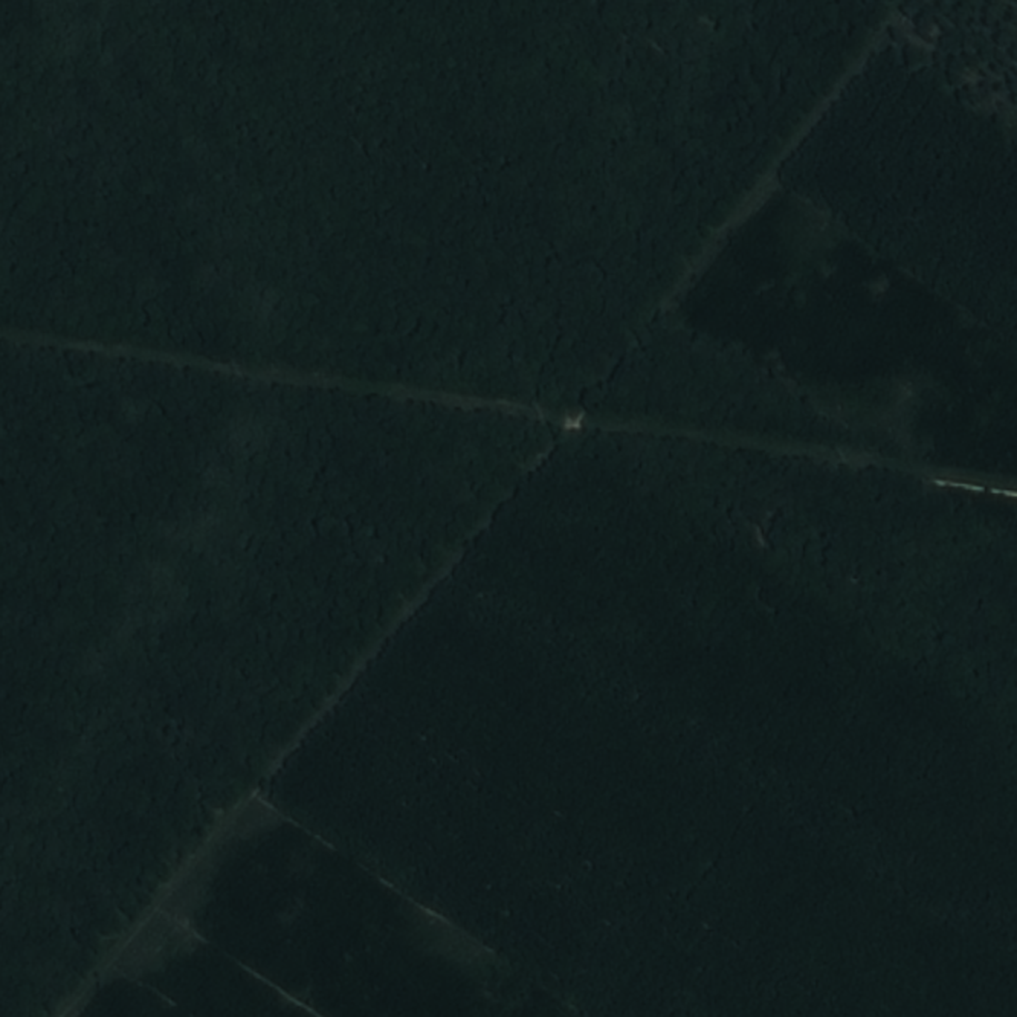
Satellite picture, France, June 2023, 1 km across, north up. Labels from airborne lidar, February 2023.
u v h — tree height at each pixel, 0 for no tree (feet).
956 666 95
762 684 53
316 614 95
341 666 82
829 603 71
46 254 88
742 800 61
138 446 91
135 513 81
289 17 71
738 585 68
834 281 27
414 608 0
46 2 78
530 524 69
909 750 69
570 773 68
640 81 85
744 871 67
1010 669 93
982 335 19
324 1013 19
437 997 20
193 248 83
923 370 25
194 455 83
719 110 91
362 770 50
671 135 79
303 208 83
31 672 80
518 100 73
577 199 84
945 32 95
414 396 0
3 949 97
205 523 80
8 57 87
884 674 61
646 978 54
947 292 51
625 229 72
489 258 95
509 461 85
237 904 25
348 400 82
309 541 89
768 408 93
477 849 53
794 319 25
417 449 74
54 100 69
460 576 59
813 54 86
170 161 87
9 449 90
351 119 77
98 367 88
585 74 90
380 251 81
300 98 67
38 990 96
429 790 59
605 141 83
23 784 95
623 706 71
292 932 23
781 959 57
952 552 81
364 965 19
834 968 62
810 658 56
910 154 63
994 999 58
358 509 94
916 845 73
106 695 81
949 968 64
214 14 61
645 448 79
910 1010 59
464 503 84
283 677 92
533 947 57
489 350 95
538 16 73
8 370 85
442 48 74
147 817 90
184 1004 26
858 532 94
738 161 83
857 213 64
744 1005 57
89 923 95
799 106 86
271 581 86
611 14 75
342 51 67
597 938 56
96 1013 23
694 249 84
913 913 59
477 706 70
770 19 84
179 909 0
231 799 87
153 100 96
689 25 70
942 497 88
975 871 71
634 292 86
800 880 64
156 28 79
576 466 66
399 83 84
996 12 86
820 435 81
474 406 0
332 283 84
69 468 101
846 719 57
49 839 80
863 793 66
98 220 94
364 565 88
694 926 49
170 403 86
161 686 95
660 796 62
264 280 88
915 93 63
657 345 82
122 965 0
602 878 59
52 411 92
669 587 63
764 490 90
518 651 63
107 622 87
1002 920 59
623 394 93
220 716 90
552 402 83
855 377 29
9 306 94
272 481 90
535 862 59
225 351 89
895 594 87
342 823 50
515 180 80
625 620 56
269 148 70
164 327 86
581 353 89
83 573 84
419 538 90
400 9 79
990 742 68
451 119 71
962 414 23
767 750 73
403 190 79
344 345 81
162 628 83
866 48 64
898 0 83
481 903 58
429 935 0
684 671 62
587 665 64
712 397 89
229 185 56
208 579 83
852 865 68
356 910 24
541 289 87
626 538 64
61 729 92
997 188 54
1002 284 82
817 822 55
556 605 62
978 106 75
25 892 91
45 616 87
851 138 57
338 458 101
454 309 91
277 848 20
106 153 85
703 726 61
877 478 83
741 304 26
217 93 71
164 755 92
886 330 27
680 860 58
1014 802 65
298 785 60
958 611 82
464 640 57
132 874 96
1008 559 83
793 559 82
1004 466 35
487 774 52
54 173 86
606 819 68
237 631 88
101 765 84
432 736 71
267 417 85
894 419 0
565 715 60
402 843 60
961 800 69
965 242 78
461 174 78
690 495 91
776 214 18
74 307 81
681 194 88
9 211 85
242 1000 18
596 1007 46
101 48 87
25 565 84
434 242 65
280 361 76
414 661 60
